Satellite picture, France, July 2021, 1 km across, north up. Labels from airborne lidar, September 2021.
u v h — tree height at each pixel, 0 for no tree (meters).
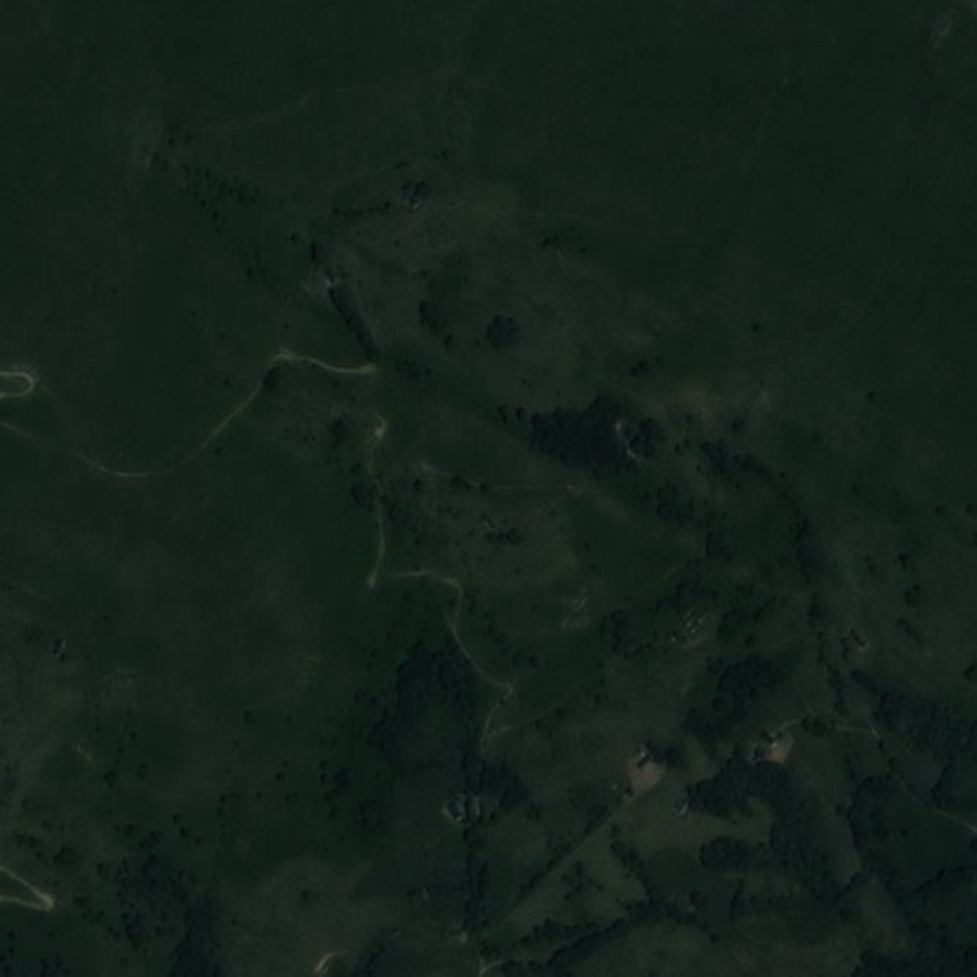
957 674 0
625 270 0
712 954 0
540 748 0
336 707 0
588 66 0
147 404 0
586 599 0
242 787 0
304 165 0
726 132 0
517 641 0
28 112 0
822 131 0
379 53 0
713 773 0
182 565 0
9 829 0
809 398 0
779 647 0
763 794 12
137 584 0
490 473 0
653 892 16
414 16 0
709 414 0
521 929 0
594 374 0
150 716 0
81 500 0
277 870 0
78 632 0
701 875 0
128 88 0
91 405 0
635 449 16
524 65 0
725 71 0
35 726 0
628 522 0
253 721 14
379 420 0
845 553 0
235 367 0
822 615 17
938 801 15
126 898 10
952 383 0
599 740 0
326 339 0
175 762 0
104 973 0
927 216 0
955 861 0
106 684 0
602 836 0
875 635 0
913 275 0
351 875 0
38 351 0
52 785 0
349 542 0
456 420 0
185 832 15
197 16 0
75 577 0
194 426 0
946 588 0
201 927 14
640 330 0
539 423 19
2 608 0
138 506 0
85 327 0
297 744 0
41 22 0
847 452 0
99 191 0
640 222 0
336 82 0
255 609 0
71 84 0
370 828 12
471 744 11
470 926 11
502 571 0
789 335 0
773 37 0
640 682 0
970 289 0
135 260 0
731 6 0
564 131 0
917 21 0
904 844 0
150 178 0
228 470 0
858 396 0
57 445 0
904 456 0
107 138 0
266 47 0
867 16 0
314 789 0
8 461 0
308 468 0
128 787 0
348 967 0
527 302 0
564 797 0
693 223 0
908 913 8
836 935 0
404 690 18
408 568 0
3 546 0
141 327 0
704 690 0
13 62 0
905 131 0
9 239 0
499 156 0
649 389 0
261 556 0
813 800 0
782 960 0
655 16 0
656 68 0
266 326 0
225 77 0
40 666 0
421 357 0
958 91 0
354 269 0
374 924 0
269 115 0
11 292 0
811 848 11
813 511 0
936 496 0
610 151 0
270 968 0
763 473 11
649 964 0
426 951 0
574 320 0
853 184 0
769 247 0
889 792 17
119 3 0
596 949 23
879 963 20
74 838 0
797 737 0
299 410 0
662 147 0
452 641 10
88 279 0
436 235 0
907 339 0
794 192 0
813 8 0
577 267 0
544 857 0
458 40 0
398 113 0
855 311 0
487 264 0
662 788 0
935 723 19
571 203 0
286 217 0
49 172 0
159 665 0
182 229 0
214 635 0
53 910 0
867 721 0
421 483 14
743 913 14
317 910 0
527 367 0
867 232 0
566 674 0
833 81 0
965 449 0
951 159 0
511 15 0
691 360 0
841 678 23
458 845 0
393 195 0
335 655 0
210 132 0
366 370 0
